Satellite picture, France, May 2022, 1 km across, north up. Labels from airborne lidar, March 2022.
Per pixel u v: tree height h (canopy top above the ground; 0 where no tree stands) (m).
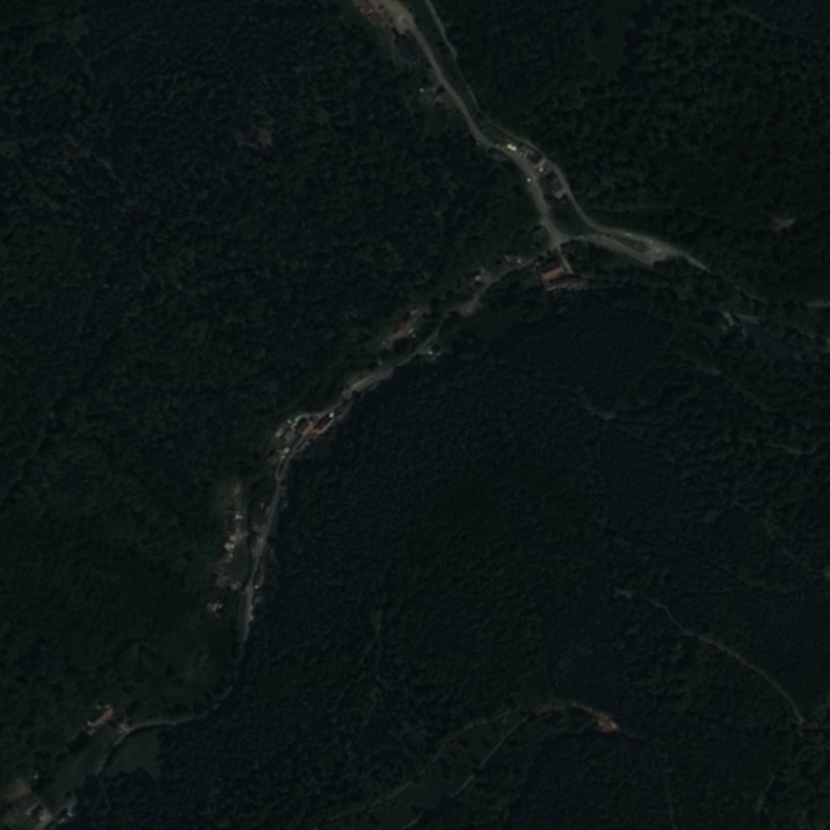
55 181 10
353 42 28
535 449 27
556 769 21
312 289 28
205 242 22
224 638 0
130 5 23
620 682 12
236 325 36
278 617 16
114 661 24
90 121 36
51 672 21
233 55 36
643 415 15
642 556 15
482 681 11
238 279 30
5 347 26
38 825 0
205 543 21
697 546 13
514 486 22
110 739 0
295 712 22
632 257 0
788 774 18
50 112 31
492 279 0
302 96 28
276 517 0
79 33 0
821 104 34
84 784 0
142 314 27
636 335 23
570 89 33
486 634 12
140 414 26
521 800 10
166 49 33
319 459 0
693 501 21
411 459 30
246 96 30
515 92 24
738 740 19
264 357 33
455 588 14
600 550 20
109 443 26
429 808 0
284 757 19
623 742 25
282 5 13
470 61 22
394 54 0
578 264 14
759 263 18
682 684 26
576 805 19
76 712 7
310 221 23
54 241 26
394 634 14
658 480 19
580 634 19
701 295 20
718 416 21
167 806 25
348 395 0
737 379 10
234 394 27
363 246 24
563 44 22
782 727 10
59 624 8
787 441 12
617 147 33
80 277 30
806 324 13
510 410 28
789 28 28
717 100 35
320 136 30
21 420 28
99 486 24
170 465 28
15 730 32
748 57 32
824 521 16
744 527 11
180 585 23
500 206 20
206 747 19
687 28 32
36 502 30
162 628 10
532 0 23
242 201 34
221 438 23
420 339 9
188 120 35
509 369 23
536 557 18
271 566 6
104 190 30
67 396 21
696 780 20
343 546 27
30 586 10
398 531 21
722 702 7
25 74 23
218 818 17
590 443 26
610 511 24
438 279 19
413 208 27
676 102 33
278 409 18
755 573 7
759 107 17
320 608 25
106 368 29
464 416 25
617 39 0
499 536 15
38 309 31
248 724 24
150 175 34
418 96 6
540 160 0
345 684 17
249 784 16
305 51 29
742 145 17
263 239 29
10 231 25
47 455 31
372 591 20
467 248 25
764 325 17
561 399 25
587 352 23
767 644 6
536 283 0
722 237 22
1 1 8
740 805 22
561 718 13
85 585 6
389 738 35
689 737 19
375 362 7
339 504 27
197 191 29
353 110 39
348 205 33
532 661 10
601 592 19
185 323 33
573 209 0
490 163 17
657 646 18
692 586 14
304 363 24
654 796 25
